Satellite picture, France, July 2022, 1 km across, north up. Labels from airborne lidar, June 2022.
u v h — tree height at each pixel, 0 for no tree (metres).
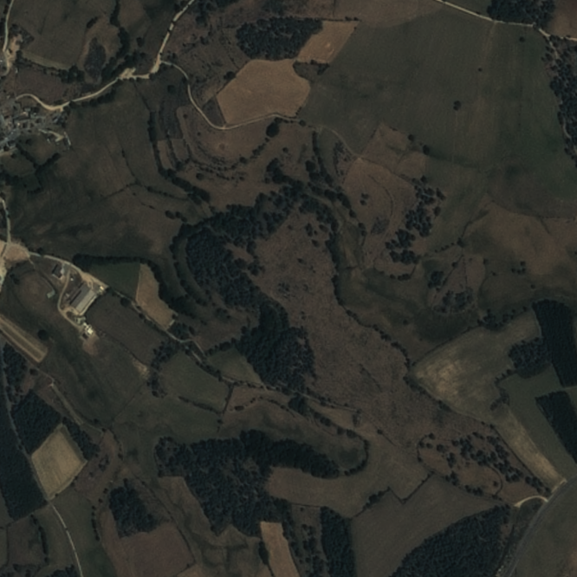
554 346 16
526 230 0
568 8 0
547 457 0
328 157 0
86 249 0
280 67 0
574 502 0
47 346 0
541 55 0
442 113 0
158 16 0
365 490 0
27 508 17
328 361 0
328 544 18
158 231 0
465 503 0
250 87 0
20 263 8
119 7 11
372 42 0
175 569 0
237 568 0
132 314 0
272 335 12
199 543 0
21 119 0
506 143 0
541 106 0
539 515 0
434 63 0
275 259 0
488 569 18
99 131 0
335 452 0
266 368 7
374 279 0
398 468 0
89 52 0
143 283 0
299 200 15
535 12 15
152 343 0
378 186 0
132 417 0
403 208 0
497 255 0
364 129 0
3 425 15
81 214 0
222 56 0
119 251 0
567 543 0
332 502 0
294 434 0
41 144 0
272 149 0
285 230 0
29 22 0
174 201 0
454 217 0
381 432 7
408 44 0
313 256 0
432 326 0
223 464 12
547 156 0
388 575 0
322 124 0
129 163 0
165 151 0
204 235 17
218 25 0
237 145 0
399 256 17
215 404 0
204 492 20
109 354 0
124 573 0
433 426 0
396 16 0
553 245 0
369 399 0
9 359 16
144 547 0
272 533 0
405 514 0
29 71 0
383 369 0
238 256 0
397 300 0
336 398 0
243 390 0
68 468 0
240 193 0
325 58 0
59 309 0
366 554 0
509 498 0
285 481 0
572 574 0
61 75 10
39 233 0
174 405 0
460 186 0
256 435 20
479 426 0
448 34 0
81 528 0
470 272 0
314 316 0
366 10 0
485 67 0
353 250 0
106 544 0
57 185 0
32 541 0
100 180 0
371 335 0
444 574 18
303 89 0
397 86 0
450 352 0
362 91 0
